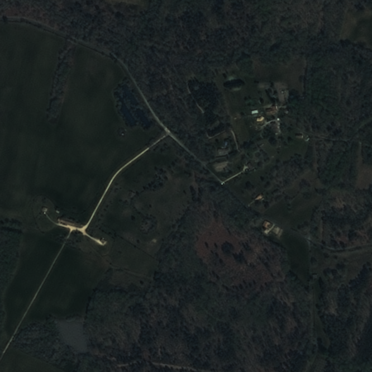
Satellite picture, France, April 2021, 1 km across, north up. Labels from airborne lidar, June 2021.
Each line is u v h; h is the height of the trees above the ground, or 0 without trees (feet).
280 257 57
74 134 0
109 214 0
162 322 35
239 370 30
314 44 54
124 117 39
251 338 43
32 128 0
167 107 46
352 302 71
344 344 88
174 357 30
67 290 0
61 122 0
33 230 0
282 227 0
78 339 0
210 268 21
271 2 42
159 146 32
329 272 49
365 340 58
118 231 0
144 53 62
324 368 77
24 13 30
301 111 70
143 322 45
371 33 0
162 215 0
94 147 0
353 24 0
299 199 0
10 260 55
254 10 31
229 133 51
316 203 0
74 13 60
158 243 0
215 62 65
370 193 51
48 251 0
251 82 0
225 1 49
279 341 47
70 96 0
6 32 0
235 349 54
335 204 51
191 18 79
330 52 55
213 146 49
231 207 48
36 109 0
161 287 60
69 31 28
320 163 40
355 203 50
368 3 65
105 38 39
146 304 60
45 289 0
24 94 0
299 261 0
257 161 0
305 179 0
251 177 0
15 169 0
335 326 86
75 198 0
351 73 41
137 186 0
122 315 66
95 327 33
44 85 0
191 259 50
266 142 0
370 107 32
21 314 0
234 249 51
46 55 0
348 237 29
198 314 41
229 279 26
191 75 44
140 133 0
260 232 51
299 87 0
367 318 30
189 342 64
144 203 0
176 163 44
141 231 21
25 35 0
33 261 0
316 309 0
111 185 0
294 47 49
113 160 0
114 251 0
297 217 0
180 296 40
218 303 58
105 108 0
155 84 77
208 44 46
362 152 37
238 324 56
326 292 79
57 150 0
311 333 77
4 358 0
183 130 38
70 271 0
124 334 36
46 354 45
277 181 33
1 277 66
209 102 23
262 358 48
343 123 39
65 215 19
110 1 0
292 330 39
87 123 0
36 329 46
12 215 0
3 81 0
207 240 0
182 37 59
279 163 47
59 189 0
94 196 0
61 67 50
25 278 0
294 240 0
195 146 77
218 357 34
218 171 0
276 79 0
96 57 0
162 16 59
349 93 29
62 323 0
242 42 18
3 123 0
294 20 59
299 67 0
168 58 44
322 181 70
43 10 34
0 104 0
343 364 74
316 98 59
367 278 81
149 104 33
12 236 58
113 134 0
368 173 0
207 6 40
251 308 56
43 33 0
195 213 39
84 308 0
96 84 0
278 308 80
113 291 43
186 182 0
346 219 59
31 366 0
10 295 0
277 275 43
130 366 47
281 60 51
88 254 0
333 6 58
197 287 57
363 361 44
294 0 40
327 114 52
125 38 61
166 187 0
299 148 0
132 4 0
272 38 61
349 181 44
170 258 49
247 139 0
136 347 53
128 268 0
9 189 0
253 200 31
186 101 51
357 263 0
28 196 0
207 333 72
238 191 0
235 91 0
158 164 0
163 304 39
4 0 60
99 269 0
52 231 0
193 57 40
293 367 78
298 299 78
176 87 59
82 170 0
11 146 0
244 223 73
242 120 0
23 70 0
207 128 38
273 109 0
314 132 31
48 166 0
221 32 52
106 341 53
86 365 50
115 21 18
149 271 0
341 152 58
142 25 56
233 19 31
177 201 0
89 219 0
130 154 0
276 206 0
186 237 51
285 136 0
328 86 51
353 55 45
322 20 32
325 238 37
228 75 49
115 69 0
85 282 0
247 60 84
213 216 37
